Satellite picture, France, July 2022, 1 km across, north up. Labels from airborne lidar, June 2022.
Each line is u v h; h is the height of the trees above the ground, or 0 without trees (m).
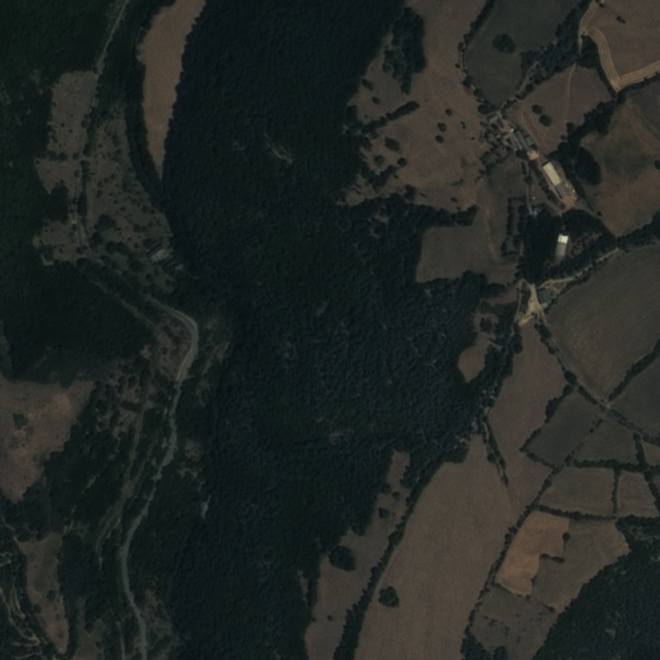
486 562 0
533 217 10
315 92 16
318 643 0
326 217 8
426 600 0
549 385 0
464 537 0
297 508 16
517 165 0
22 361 22
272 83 15
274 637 10
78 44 13
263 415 12
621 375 0
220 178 18
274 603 11
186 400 19
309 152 12
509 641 0
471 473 0
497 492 0
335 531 15
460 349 14
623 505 0
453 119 0
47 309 23
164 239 6
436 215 10
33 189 10
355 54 19
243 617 13
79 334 17
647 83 11
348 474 14
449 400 16
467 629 6
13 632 9
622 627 9
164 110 0
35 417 0
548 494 0
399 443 15
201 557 12
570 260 8
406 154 0
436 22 0
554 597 0
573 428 0
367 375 11
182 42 0
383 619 0
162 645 9
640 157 0
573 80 0
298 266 21
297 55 15
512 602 0
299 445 14
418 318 13
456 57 0
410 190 14
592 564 0
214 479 14
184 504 15
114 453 11
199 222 12
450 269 0
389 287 14
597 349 0
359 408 10
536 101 0
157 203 14
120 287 10
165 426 10
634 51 0
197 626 17
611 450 0
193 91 24
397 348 18
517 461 0
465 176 0
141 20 17
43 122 7
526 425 0
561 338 0
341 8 19
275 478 11
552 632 10
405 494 0
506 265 0
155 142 0
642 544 8
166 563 21
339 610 0
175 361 0
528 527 0
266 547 15
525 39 0
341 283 14
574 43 9
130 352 15
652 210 0
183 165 18
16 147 8
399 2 19
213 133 18
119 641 13
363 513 14
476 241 0
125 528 15
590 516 7
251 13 23
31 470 0
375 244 15
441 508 0
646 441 7
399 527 11
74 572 14
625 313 0
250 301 10
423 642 0
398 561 0
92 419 10
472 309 9
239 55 22
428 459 6
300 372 9
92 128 10
